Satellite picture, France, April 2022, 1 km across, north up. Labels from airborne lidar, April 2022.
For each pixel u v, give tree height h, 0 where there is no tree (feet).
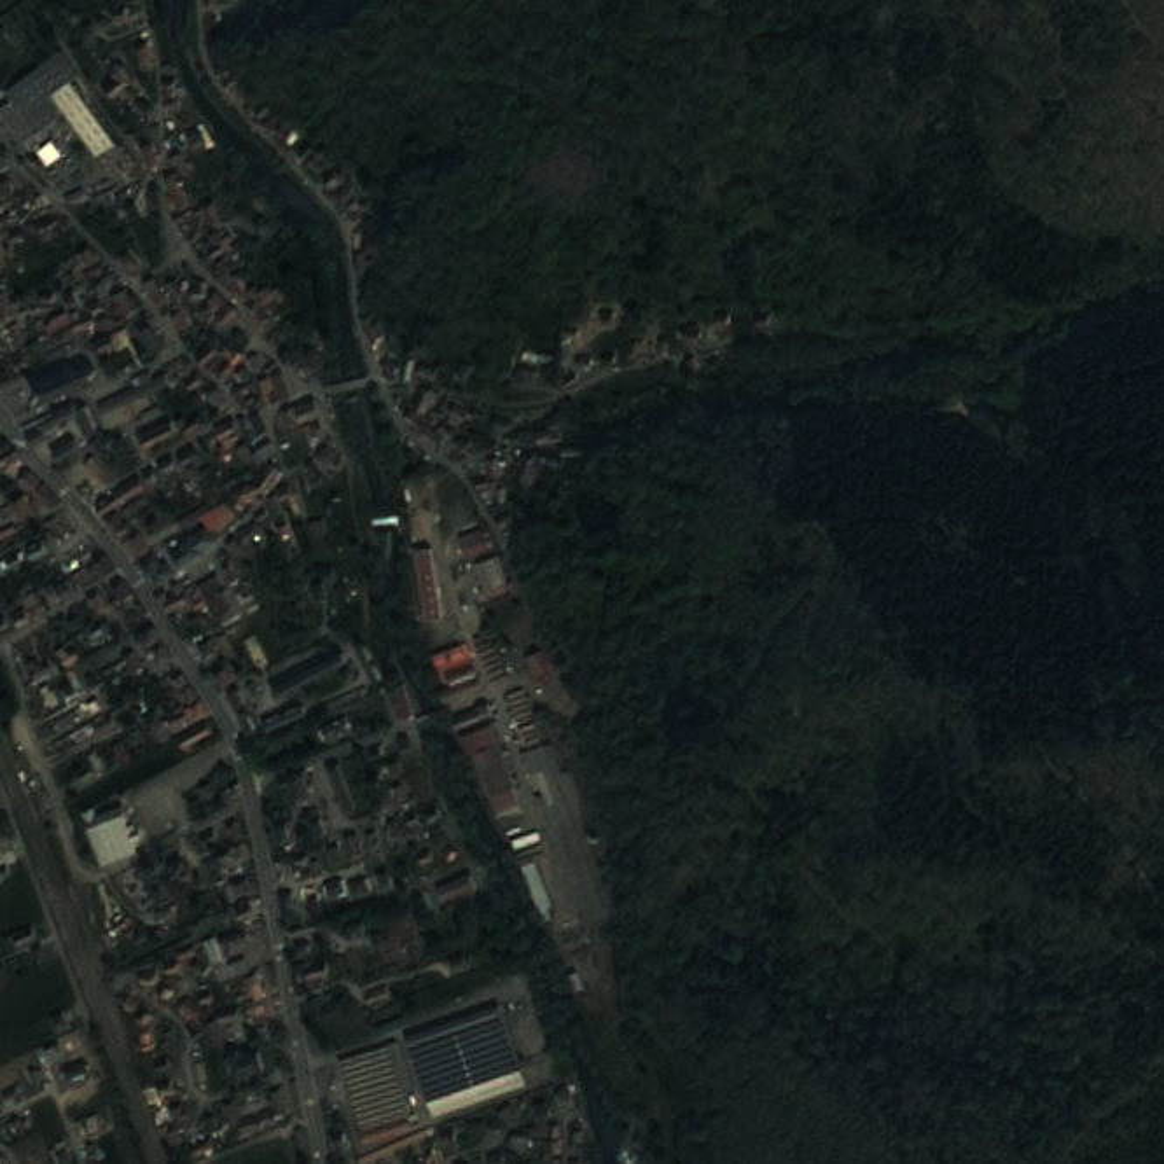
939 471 93
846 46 106
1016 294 71
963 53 79
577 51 81
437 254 76
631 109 49
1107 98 52
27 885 0
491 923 70
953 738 45
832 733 55
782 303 33
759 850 94
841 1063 84
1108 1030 67
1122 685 38
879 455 79
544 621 35
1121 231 46
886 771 62
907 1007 88
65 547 0
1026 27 92
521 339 0
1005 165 84
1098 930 76
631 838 33
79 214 0
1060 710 25
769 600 75
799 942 95
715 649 76
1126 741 23
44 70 0
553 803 0
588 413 31
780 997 76
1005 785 63
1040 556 83
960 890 63
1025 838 74
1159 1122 29
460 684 0
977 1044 61
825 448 69
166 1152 31
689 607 59
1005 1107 71
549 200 67
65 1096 0
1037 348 67
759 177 40
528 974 55
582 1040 54
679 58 65
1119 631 54
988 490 85
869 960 75
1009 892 88
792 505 74
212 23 0
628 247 63
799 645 53
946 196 83
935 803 93
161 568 0
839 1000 86
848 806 65
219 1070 0
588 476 37
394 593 61
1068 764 46
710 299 18
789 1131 81
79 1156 0
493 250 72
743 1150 56
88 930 0
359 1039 0
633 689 47
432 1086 0
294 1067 41
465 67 75
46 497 0
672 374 50
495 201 65
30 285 20
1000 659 89
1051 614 79
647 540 50
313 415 0
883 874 46
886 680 47
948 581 28
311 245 77
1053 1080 66
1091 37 67
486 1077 0
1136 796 58
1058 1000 91
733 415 76
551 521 23
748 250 96
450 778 58
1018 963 28
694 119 76
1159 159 64
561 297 27
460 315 63
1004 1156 64
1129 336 83
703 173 80
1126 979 86
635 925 45
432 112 55
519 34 54
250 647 0
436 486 0
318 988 0
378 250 29
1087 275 92
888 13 86
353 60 57
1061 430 51
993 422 77
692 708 92
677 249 45
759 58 93
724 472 67
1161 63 71
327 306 76
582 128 37
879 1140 67
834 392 79
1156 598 30
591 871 0
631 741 24
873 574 62
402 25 45
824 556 62
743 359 61
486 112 74
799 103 68
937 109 77
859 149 55
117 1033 0
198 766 0
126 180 0
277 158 36
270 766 48
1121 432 65
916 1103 72
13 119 0
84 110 0
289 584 23
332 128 70
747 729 54
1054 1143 62
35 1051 0
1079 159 65
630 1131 26
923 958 91
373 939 47
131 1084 0
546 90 75
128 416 0
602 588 58
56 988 0
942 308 53
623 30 74
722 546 58
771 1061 79
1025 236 75
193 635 25
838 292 62
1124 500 88
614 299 31
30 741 0
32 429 0
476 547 0
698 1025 87
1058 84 68
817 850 52
